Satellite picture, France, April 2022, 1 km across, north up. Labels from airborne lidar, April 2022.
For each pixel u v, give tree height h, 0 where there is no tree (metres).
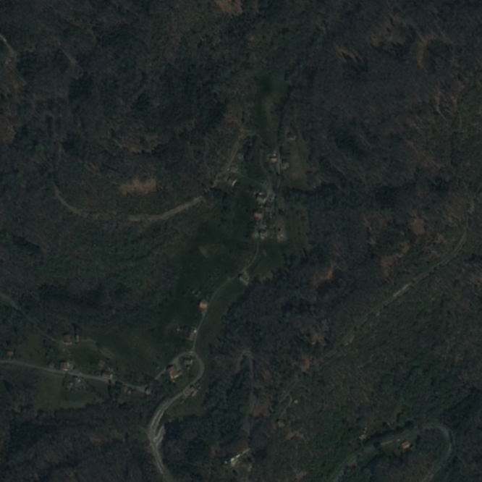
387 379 20
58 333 0
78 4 24
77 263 16
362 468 10
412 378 21
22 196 28
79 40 29
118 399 14
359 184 25
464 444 20
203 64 27
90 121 27
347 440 20
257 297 22
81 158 6
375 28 34
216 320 0
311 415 7
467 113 9
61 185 14
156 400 6
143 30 18
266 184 0
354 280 27
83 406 0
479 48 17
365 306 21
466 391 24
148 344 0
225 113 8
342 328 21
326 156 19
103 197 17
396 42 0
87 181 16
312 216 16
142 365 0
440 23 32
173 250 26
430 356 9
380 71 28
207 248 0
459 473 20
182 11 17
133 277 22
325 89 32
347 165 27
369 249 22
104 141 13
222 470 16
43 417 18
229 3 10
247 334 20
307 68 19
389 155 19
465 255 19
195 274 0
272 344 22
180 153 23
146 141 18
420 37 27
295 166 0
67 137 28
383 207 23
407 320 8
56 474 27
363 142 27
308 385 7
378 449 24
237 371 21
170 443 22
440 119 21
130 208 7
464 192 14
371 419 35
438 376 22
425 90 29
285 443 9
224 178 17
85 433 33
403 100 24
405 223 18
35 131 29
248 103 18
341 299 25
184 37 22
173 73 19
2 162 32
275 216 9
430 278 9
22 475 17
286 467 20
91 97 20
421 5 32
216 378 9
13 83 32
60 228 21
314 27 30
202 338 0
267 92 0
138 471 33
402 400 22
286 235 0
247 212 10
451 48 6
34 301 34
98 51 31
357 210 21
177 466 16
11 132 38
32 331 14
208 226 0
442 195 28
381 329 12
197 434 24
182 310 0
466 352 8
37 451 26
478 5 12
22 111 33
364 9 26
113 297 24
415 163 14
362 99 32
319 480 16
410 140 17
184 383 0
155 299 21
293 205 19
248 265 0
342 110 34
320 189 18
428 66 0
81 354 0
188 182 13
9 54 29
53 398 0
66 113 30
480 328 16
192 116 13
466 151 11
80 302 23
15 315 26
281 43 6
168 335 0
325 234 18
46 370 0
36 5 29
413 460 24
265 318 28
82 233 19
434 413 17
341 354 21
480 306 10
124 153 6
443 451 23
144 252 9
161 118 17
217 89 35
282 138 18
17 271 30
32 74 30
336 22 28
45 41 28
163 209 7
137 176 21
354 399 27
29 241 18
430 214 18
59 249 25
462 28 27
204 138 15
